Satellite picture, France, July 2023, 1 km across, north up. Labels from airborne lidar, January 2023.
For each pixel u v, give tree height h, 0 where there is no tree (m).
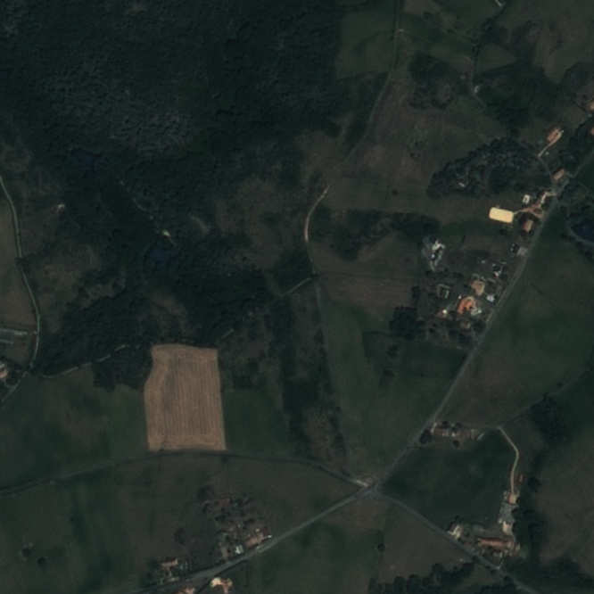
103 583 0
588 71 0
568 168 6
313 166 0
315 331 0
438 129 0
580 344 0
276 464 0
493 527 0
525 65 6
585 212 15
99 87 10
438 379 0
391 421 0
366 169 0
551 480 0
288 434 0
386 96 0
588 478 0
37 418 0
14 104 13
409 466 0
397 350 9
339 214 0
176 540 0
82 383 0
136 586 0
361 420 0
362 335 0
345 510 0
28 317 0
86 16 10
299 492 0
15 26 16
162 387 0
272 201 0
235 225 0
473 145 0
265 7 15
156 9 16
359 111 0
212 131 7
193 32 14
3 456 0
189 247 12
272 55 11
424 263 0
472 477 0
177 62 17
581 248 13
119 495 0
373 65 0
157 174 17
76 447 0
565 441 10
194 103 13
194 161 9
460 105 0
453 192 8
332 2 9
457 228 0
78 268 0
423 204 0
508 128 9
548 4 0
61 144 27
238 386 0
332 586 0
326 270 0
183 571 0
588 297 0
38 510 0
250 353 0
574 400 0
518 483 0
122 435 0
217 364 0
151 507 0
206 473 0
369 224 7
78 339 9
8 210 0
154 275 12
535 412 11
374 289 0
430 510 0
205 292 7
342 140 0
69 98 21
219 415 0
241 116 15
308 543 0
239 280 13
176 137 14
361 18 0
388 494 0
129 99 18
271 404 0
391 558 0
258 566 0
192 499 0
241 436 0
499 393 0
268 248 0
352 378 0
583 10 0
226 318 12
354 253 9
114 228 6
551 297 0
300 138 0
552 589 0
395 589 8
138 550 0
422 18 0
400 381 0
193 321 7
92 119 13
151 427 0
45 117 27
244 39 17
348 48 0
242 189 0
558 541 0
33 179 0
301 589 0
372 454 0
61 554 0
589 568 0
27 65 13
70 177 7
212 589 0
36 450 0
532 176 0
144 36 9
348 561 0
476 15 0
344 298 0
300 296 0
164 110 15
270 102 13
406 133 0
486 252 0
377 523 0
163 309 0
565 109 0
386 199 0
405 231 8
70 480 0
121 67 14
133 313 9
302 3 11
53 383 0
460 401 0
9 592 0
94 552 0
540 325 0
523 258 0
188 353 0
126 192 11
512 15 0
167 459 0
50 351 12
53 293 0
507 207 0
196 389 0
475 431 0
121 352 6
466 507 0
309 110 9
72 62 10
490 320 0
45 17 12
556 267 0
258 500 0
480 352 0
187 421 0
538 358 0
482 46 6
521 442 0
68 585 0
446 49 0
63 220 10
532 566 0
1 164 0
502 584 0
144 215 12
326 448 0
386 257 0
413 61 0
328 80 10
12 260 0
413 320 11
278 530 0
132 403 0
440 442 0
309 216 0
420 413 0
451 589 15
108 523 0
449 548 0
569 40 0
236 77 16
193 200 10
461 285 0
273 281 0
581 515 0
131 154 7
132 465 0
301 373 0
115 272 13
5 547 0
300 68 10
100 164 10
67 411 0
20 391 0
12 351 0
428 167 0
